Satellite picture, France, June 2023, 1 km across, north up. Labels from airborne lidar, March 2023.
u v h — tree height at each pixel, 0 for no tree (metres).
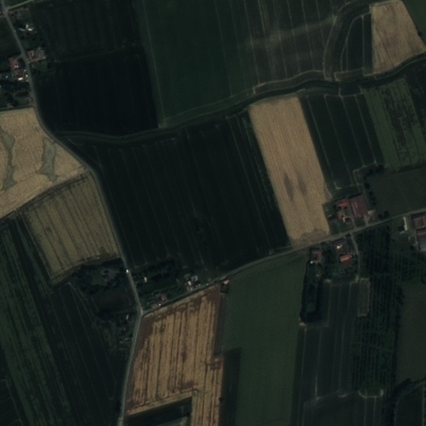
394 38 0
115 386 0
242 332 0
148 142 0
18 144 0
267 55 0
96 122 0
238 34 0
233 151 0
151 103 0
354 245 0
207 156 0
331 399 0
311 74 0
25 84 6
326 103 0
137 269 0
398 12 0
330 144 0
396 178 0
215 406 0
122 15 0
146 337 0
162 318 0
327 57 0
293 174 0
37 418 0
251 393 0
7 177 0
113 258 0
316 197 0
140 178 0
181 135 0
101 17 0
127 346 0
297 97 0
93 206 0
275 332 0
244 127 0
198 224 6
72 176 0
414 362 0
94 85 0
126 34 0
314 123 0
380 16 0
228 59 0
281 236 0
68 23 0
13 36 0
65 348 0
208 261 0
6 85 17
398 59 0
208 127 0
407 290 0
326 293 0
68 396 0
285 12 0
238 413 0
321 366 0
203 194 0
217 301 0
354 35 0
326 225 0
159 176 0
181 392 0
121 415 0
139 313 0
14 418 0
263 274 0
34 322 0
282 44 0
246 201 0
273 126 0
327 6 0
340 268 0
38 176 0
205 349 0
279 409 0
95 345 0
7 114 0
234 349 0
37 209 0
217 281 0
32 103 0
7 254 0
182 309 0
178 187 0
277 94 0
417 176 0
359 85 0
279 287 0
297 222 0
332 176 0
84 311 0
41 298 0
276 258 0
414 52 0
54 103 0
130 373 0
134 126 0
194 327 0
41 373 0
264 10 0
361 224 0
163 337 0
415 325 0
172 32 0
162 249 0
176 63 0
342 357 0
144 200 0
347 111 0
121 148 0
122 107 0
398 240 0
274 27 0
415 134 0
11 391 0
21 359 0
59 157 0
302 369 0
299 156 0
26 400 0
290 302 0
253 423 0
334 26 0
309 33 0
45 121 0
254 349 0
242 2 0
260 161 0
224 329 0
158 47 0
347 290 0
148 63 0
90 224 0
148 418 0
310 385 0
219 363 0
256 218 0
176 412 0
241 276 0
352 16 0
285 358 0
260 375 0
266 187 0
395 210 0
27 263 0
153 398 0
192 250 0
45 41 0
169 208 0
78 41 0
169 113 0
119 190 0
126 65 0
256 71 0
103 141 0
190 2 0
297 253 0
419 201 0
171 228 0
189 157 0
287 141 0
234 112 0
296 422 0
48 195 0
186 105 0
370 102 0
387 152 0
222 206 0
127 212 0
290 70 0
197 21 0
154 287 0
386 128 0
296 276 0
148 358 0
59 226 0
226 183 0
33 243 0
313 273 0
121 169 0
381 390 0
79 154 0
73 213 0
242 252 0
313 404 0
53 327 0
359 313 0
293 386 0
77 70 0
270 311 0
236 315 0
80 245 0
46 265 0
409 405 0
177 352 0
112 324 0
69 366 0
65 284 0
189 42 0
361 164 0
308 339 0
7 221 0
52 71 10
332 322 0
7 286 0
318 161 0
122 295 0
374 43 0
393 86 0
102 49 0
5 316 0
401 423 0
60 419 0
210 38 0
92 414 0
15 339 0
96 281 0
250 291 0
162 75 0
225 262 0
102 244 0
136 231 0
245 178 0
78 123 0
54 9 0
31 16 0
